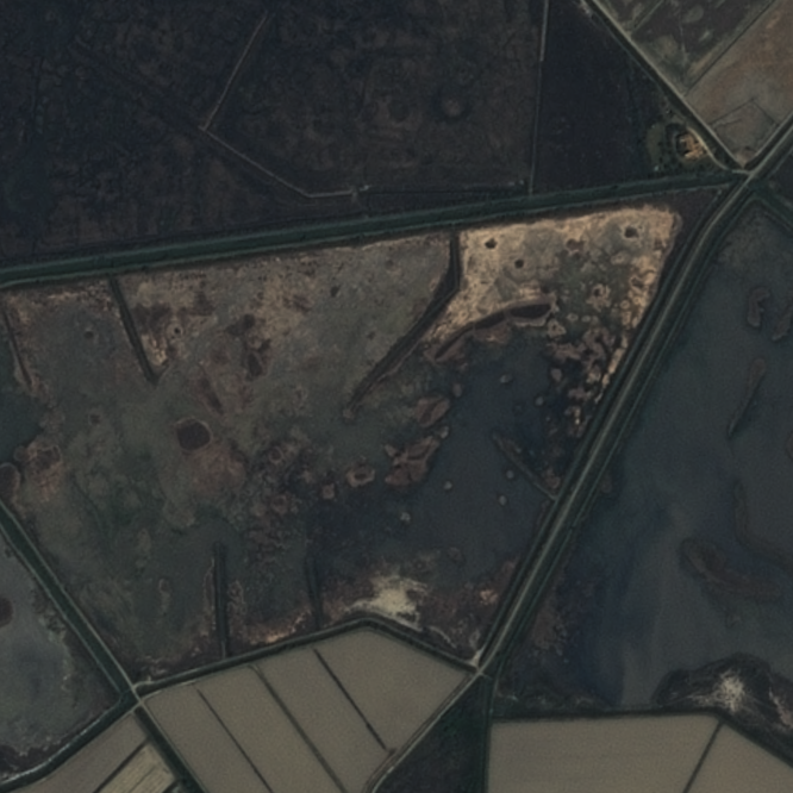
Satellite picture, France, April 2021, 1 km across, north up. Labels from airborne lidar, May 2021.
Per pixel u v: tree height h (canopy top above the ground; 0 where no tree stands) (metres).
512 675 0
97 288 0
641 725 0
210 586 0
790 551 0
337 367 0
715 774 0
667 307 0
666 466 0
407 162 0
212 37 0
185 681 0
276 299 0
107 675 0
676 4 0
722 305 0
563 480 0
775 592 0
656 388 0
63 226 0
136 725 0
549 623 0
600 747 0
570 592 0
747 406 0
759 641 0
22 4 0
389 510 0
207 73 0
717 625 0
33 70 0
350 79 0
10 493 0
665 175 6
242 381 0
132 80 0
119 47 0
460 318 0
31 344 0
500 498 0
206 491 0
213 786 0
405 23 0
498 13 0
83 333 0
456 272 0
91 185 0
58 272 0
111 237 0
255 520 0
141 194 0
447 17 0
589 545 0
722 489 0
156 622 0
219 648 0
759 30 0
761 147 0
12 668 0
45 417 0
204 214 0
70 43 0
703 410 0
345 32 0
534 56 0
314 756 0
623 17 0
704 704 0
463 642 0
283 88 0
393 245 0
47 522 0
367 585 0
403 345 0
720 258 0
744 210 0
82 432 0
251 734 0
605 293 0
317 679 0
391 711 0
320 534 0
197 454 0
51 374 0
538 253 0
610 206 0
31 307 0
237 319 0
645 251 0
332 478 0
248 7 0
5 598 0
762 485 0
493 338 0
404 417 0
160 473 0
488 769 0
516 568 0
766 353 0
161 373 0
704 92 0
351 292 0
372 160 0
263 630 0
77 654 0
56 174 0
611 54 0
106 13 0
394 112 0
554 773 0
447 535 0
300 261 0
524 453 0
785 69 0
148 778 0
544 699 0
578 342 0
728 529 0
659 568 0
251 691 0
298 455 0
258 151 0
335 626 0
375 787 0
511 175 0
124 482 0
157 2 0
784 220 0
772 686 0
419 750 0
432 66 0
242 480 0
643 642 0
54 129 0
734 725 0
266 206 0
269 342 0
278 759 0
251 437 0
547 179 0
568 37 0
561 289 0
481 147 0
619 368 0
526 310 0
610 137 0
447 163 0
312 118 0
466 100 0
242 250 0
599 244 0
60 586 0
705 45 0
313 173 0
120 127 0
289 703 0
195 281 0
